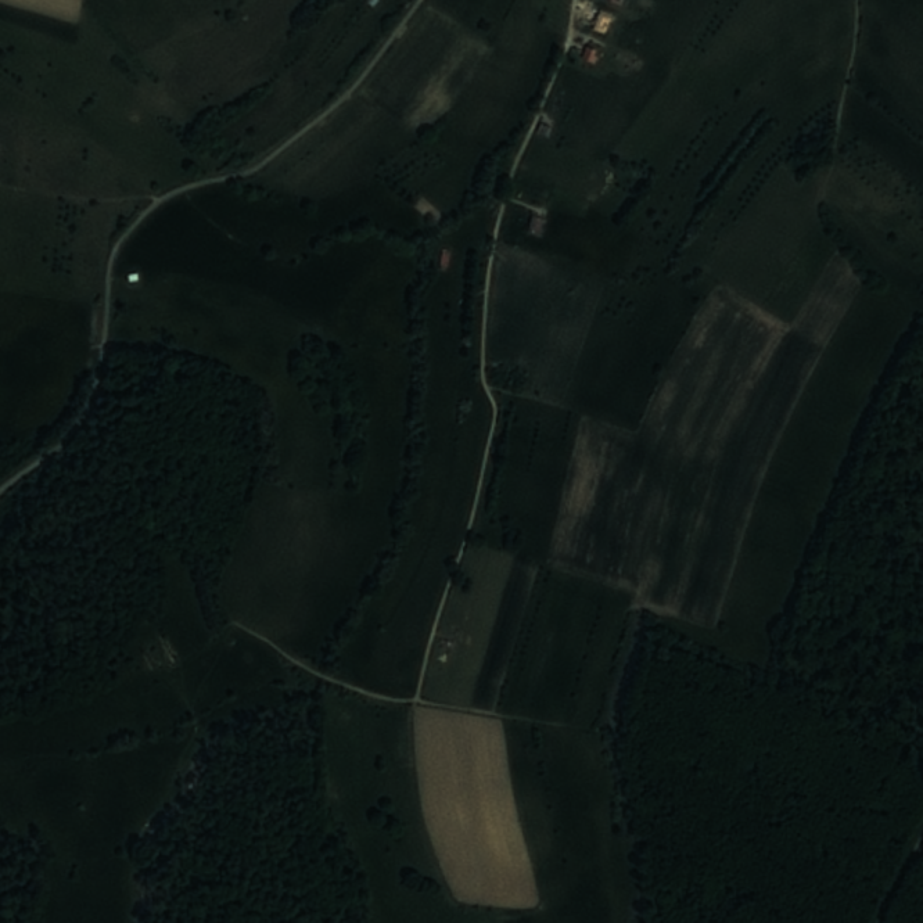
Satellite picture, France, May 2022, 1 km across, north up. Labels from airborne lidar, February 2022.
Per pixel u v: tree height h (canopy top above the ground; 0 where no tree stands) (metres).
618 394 0
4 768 0
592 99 0
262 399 11
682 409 0
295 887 28
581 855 0
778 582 0
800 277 0
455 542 0
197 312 0
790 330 0
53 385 0
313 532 0
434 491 0
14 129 0
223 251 0
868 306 0
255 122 0
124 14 0
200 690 0
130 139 0
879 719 25
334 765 0
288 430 0
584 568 0
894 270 0
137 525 20
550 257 0
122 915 0
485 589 0
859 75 0
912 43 0
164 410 22
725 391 0
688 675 13
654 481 0
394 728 0
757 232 0
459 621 0
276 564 0
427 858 0
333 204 0
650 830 13
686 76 0
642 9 0
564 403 0
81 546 26
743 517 0
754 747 14
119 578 23
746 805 16
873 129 0
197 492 19
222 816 28
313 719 20
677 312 0
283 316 0
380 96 0
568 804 0
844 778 13
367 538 0
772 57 0
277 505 0
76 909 0
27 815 0
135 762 0
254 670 0
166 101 0
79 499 24
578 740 0
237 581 0
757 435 0
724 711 15
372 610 0
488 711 0
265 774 29
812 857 15
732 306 0
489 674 0
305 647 0
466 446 0
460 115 0
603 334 0
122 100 0
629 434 0
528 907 0
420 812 0
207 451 22
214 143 15
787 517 0
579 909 0
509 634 0
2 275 0
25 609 26
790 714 14
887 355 0
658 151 0
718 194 9
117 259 0
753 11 0
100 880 0
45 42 0
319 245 15
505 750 0
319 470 0
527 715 0
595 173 0
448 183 0
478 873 0
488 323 0
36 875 26
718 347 0
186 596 0
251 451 19
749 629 0
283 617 0
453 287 0
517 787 0
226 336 0
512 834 0
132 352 17
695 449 0
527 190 0
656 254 0
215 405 21
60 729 0
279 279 0
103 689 21
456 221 17
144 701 0
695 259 0
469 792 0
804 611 18
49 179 0
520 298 0
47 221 0
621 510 0
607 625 0
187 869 24
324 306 0
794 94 0
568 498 0
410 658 0
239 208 0
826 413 0
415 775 0
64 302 0
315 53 0
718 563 0
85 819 0
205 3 0
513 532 8
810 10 0
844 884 15
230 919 28
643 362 0
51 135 0
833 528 19
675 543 0
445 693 0
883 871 15
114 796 0
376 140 0
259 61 0
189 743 0
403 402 0
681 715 17
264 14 0
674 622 0
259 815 31
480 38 0
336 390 19
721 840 15
